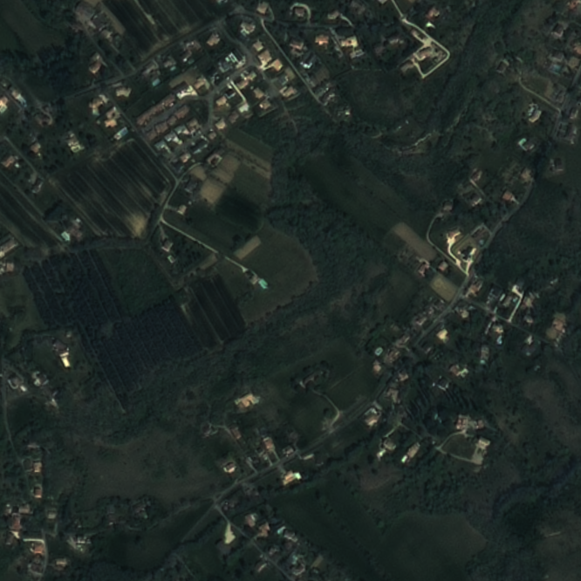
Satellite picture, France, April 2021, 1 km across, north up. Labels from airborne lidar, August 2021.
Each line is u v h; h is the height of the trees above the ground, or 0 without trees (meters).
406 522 0
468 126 16
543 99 0
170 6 0
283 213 23
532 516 8
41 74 20
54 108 7
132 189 0
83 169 0
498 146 14
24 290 0
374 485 0
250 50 0
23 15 0
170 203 0
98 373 6
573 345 11
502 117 7
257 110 0
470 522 11
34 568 9
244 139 0
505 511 11
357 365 0
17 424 0
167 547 0
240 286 0
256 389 17
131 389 10
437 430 14
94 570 20
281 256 0
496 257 12
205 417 14
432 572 0
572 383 0
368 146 17
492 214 8
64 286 10
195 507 16
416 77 8
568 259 10
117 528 14
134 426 18
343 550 0
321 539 0
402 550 0
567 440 0
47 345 0
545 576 6
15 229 0
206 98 0
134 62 13
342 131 18
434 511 8
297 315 19
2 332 24
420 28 6
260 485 0
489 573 10
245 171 0
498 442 6
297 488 14
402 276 0
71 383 10
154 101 0
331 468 15
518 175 11
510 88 10
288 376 0
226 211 0
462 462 0
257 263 0
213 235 0
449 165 12
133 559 0
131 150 0
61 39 0
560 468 0
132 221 0
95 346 10
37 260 16
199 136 0
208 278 0
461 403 27
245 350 15
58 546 0
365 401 0
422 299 10
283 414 7
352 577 9
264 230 0
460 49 7
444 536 0
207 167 11
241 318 0
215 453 0
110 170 0
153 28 0
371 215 0
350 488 10
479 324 11
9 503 9
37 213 0
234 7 0
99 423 19
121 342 12
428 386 11
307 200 17
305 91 16
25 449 6
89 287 13
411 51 13
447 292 0
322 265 14
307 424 0
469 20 14
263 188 0
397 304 0
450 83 13
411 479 8
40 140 11
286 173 21
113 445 14
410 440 14
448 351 10
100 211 0
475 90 18
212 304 0
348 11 11
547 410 0
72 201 0
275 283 0
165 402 18
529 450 11
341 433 0
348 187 0
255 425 9
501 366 8
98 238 10
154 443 0
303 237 12
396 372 16
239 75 0
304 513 0
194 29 0
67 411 17
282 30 11
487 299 0
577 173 0
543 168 27
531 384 0
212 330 0
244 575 15
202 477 0
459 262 0
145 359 12
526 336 6
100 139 0
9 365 8
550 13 0
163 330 11
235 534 0
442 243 0
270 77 0
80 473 9
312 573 11
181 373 17
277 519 8
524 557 19
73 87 11
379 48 0
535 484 9
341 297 9
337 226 8
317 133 18
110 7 0
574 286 0
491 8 18
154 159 0
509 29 26
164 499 0
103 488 0
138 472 0
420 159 12
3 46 0
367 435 0
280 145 9
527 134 8
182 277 0
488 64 27
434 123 17
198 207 0
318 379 14
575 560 0
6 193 0
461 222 13
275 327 18
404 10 0
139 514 6
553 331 0
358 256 7
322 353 0
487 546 6
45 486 11
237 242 15
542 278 10
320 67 8
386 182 9
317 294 14
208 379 14
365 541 0
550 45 13
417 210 11
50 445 15
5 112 0
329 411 10
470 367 6
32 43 0
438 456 13
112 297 13
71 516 8
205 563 0
